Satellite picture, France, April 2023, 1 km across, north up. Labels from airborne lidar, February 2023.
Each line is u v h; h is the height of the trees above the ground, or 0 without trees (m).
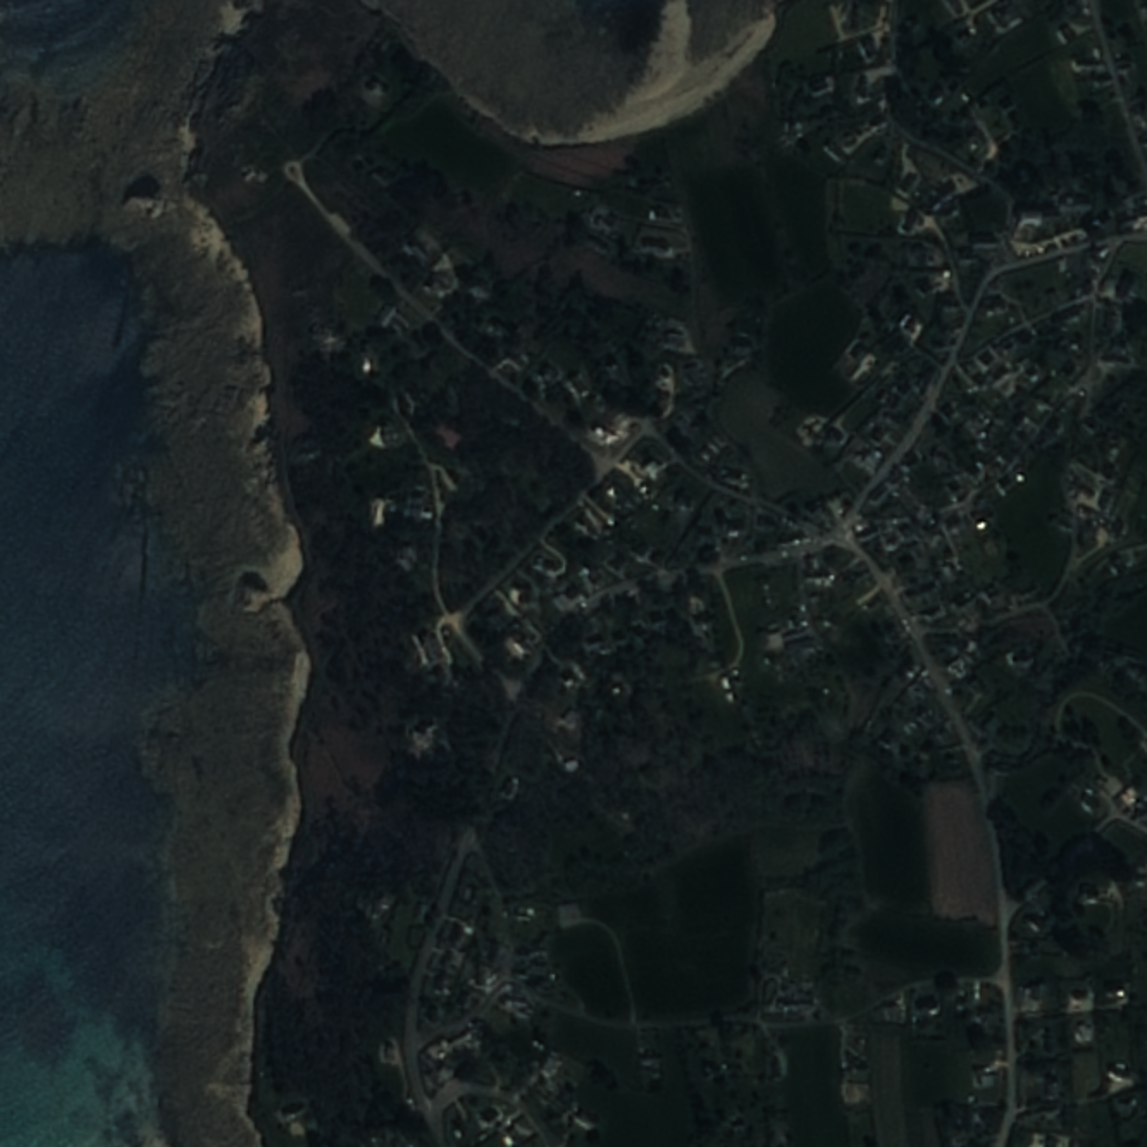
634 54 0
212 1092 0
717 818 11
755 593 0
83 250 0
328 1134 13
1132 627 0
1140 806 0
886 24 0
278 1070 16
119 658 0
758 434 0
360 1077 13
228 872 0
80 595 0
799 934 0
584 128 0
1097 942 14
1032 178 18
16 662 0
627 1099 0
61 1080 0
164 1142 0
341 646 14
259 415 0
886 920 0
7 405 0
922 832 0
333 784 0
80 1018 0
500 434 13
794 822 11
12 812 0
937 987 10
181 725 0
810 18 0
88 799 0
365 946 14
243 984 0
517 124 0
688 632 15
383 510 0
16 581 0
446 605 8
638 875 10
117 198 0
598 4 0
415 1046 0
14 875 0
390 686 13
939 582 6
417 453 7
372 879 12
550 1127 7
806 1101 0
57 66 0
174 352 0
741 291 0
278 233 0
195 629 0
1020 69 0
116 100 0
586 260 0
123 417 0
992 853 0
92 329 0
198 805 0
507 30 0
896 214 0
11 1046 0
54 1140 0
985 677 0
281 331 0
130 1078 0
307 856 6
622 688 8
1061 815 0
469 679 13
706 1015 0
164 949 0
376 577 13
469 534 10
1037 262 0
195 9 0
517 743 19
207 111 0
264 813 0
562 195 0
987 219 0
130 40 0
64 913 0
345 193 0
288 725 0
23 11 0
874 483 0
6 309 0
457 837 8
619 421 0
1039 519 0
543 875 11
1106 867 16
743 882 0
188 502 0
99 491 0
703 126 0
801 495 0
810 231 0
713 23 0
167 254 0
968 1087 0
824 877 11
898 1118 0
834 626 9
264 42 0
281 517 0
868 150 0
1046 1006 0
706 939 0
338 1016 20
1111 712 0
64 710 0
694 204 0
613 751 7
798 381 0
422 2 0
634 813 8
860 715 0
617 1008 0
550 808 20
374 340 10
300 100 0
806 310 0
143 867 0
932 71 0
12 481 0
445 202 17
